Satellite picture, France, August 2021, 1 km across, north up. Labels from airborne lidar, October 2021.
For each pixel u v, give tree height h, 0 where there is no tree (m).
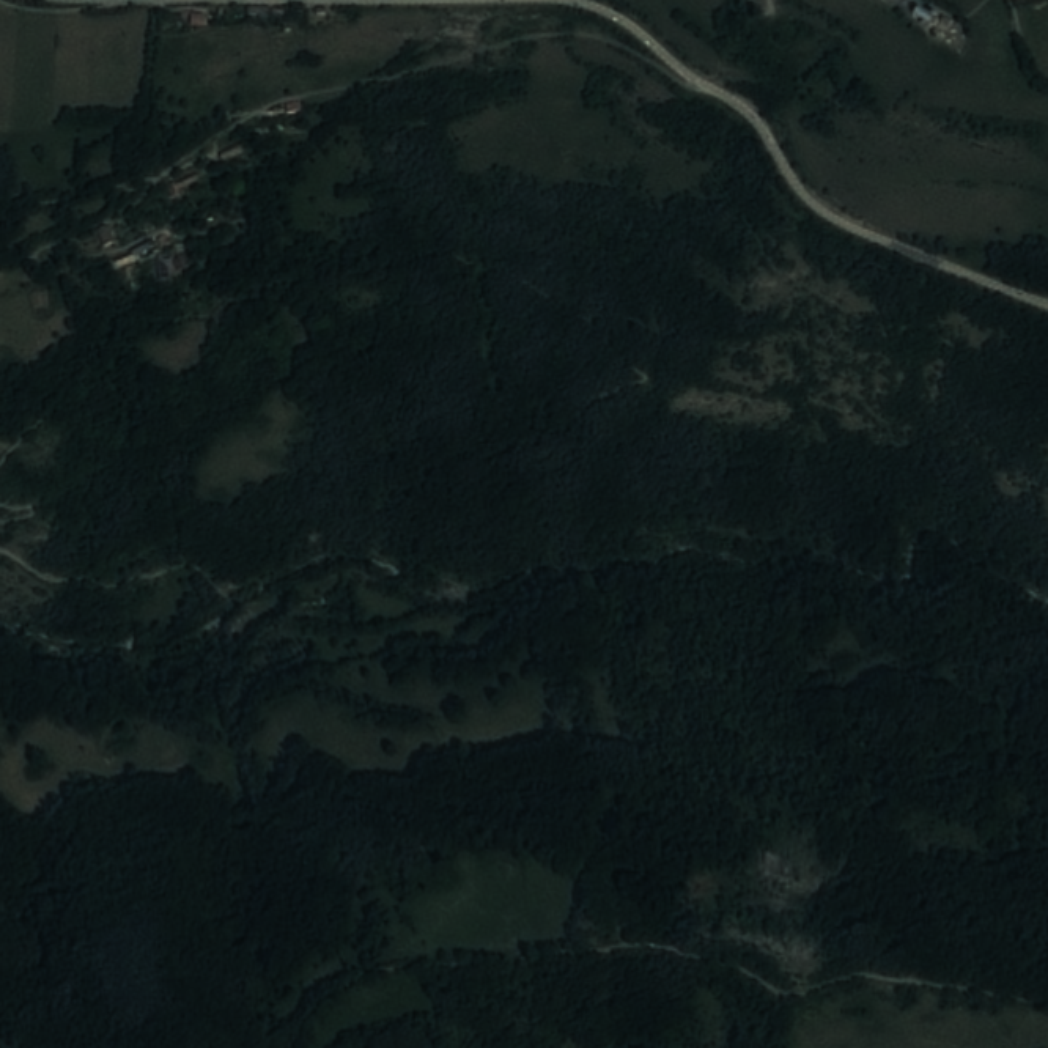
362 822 23
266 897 24
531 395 21
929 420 7
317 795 21
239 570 13
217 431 15
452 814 25
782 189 11
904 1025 0
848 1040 0
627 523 16
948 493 14
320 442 15
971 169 0
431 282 22
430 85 9
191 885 24
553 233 15
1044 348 17
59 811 15
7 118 0
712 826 13
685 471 17
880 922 24
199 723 18
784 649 12
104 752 0
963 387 9
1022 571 12
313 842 20
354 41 0
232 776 0
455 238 12
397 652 15
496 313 9
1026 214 0
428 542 20
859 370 7
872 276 11
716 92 0
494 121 0
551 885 0
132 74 0
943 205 0
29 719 19
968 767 14
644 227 11
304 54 10
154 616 0
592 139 0
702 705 8
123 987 29
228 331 11
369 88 11
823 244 10
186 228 13
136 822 19
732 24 10
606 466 22
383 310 12
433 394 22
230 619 15
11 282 0
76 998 21
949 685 7
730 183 9
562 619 24
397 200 7
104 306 13
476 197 11
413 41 5
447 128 12
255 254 16
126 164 16
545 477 16
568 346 15
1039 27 0
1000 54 0
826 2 0
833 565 7
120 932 23
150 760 0
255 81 0
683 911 23
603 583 19
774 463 17
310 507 16
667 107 8
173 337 12
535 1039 17
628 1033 15
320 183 0
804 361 8
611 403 17
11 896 30
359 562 10
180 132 16
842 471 16
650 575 20
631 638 13
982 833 18
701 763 11
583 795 28
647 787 21
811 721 23
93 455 11
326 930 25
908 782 16
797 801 8
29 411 11
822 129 11
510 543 17
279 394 20
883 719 21
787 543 17
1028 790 18
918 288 8
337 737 0
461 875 0
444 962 14
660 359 12
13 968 28
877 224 0
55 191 8
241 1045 22
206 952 31
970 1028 0
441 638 14
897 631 25
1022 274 14
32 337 0
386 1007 0
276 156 10
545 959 16
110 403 28
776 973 8
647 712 11
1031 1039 0
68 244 12
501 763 27
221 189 18
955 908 24
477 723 0
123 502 14
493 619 18
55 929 29
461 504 21
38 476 7
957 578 16
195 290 15
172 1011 21
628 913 27
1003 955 33
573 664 19
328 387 16
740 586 14
